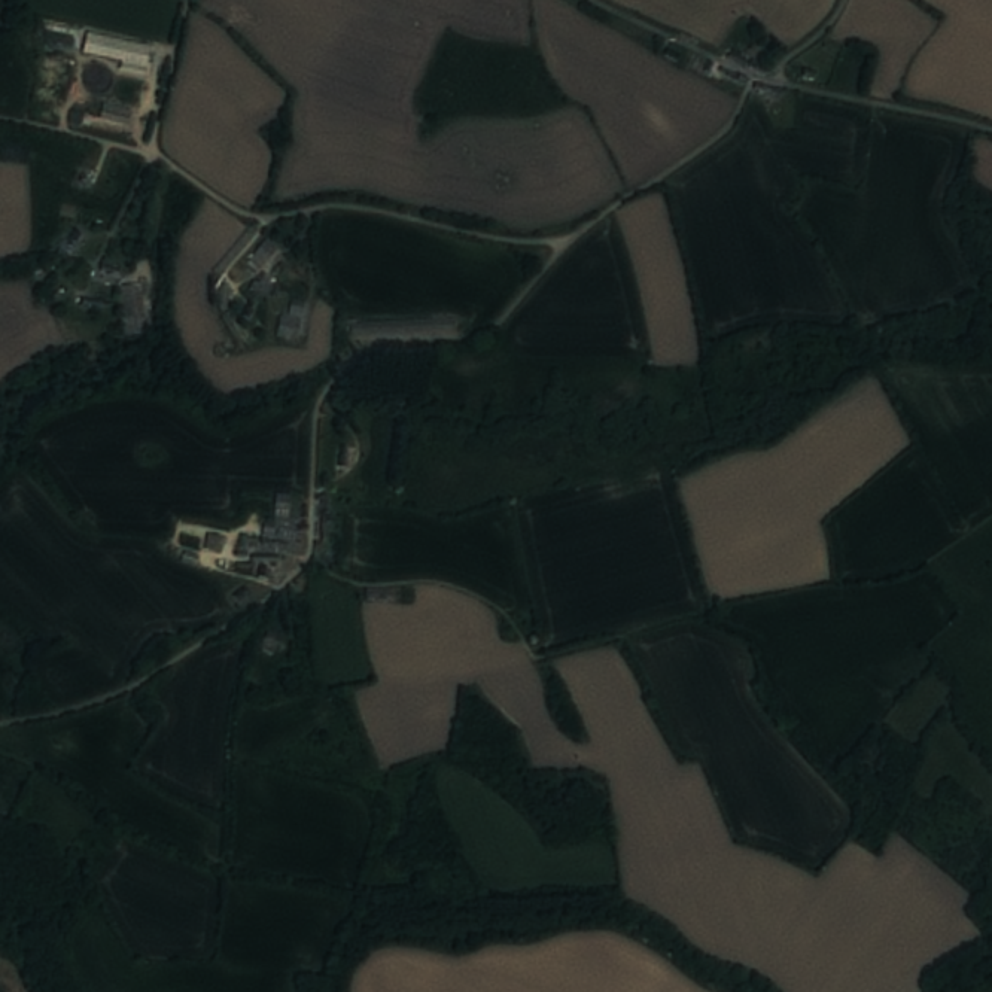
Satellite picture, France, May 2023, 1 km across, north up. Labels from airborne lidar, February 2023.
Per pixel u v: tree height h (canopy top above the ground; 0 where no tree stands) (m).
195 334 0
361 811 0
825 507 0
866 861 0
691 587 0
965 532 0
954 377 0
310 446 0
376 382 26
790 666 0
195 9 11
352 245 0
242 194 0
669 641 0
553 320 0
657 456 0
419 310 0
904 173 0
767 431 13
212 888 0
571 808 18
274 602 12
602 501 0
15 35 14
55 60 0
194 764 0
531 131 0
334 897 14
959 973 14
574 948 0
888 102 0
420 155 0
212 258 0
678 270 0
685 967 8
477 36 0
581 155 0
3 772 0
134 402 0
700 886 0
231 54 0
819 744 0
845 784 8
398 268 0
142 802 0
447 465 0
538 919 9
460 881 17
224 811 6
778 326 7
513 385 0
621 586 0
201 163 0
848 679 0
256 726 0
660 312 0
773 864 0
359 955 16
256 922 0
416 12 0
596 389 0
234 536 0
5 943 9
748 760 0
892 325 12
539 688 0
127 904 0
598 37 0
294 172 0
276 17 0
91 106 0
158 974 0
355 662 0
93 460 0
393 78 0
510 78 0
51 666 0
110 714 0
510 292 0
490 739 8
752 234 0
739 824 0
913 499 0
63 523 0
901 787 10
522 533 0
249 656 14
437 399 10
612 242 0
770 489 0
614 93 0
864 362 15
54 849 10
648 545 0
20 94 0
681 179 0
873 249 0
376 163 0
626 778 0
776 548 0
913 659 0
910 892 0
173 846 7
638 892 0
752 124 0
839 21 0
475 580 0
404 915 28
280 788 0
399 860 6
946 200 7
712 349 11
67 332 0
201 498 0
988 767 10
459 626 0
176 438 0
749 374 0
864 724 0
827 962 0
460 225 11
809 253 0
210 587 0
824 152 0
